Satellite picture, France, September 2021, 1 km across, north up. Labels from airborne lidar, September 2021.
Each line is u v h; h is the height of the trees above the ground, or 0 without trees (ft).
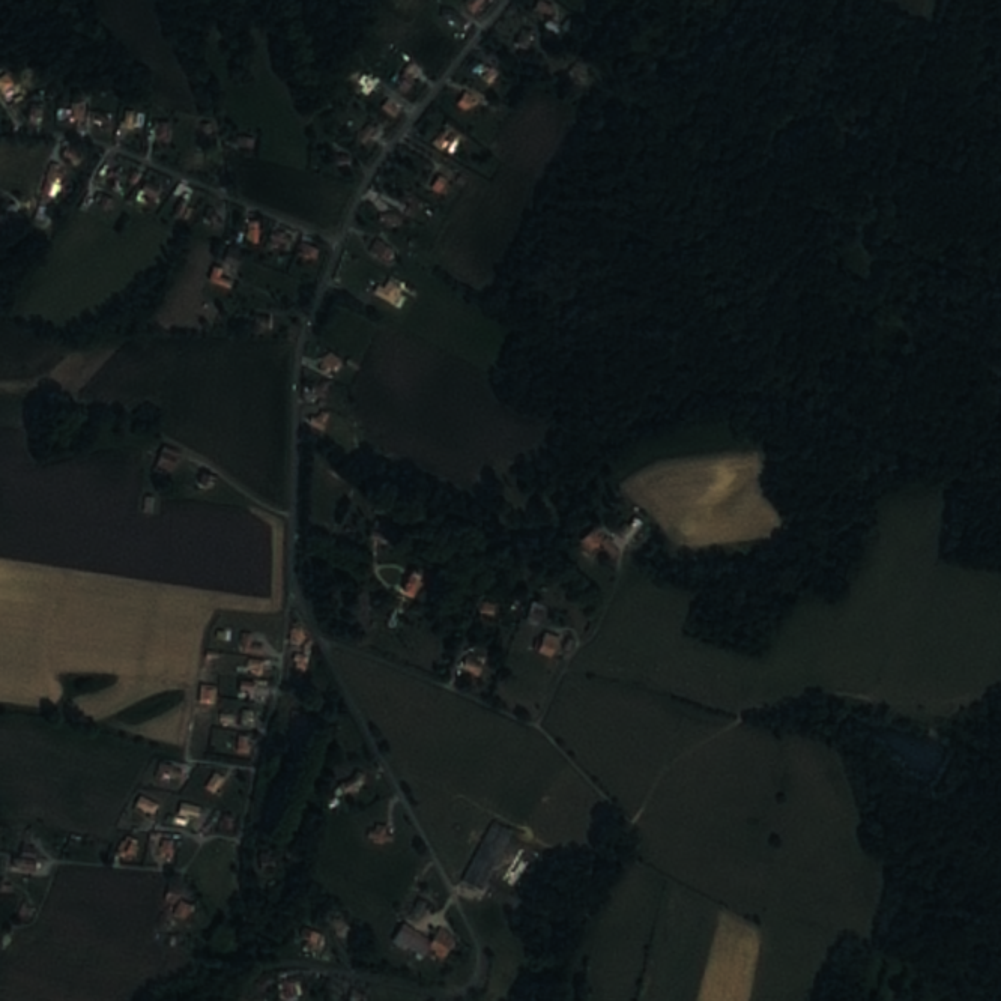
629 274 86
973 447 83
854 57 60
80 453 65
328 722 43
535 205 31
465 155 40
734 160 84
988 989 87
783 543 81
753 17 63
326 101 49
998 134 76
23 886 0
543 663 0
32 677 0
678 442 0
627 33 103
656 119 90
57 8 90
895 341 18
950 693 0
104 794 0
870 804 49
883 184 62
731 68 65
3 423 0
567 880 89
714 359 69
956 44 69
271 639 0
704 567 75
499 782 0
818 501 78
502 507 65
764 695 0
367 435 0
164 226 19
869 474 47
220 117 27
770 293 52
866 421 78
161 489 74
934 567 0
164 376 0
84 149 51
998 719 61
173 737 0
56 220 61
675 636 0
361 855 0
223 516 0
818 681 0
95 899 0
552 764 0
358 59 0
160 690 0
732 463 0
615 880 45
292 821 79
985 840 72
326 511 0
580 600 72
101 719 0
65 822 0
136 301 65
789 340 72
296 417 0
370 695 0
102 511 0
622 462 48
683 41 42
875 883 0
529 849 0
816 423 56
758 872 0
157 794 0
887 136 61
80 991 0
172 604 0
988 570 52
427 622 31
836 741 68
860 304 48
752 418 78
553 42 64
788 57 47
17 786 0
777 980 0
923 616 0
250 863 29
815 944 0
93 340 74
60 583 0
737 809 0
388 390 0
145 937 0
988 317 87
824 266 82
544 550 66
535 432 0
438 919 0
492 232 0
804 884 0
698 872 0
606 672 0
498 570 109
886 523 0
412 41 0
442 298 0
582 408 83
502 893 0
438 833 0
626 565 0
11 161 0
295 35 99
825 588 78
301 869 49
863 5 61
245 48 63
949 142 72
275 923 70
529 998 74
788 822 0
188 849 0
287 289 0
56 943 0
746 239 86
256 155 19
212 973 69
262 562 0
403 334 0
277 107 0
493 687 25
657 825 0
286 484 0
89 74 69
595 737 0
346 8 79
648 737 0
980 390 80
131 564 0
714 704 0
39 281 0
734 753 0
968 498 62
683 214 60
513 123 0
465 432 0
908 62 62
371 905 0
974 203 70
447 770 0
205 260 0
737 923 0
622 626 0
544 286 82
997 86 71
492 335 0
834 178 72
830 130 66
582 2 0
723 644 29
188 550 0
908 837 91
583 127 53
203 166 0
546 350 65
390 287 0
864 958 45
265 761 68
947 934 97
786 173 72
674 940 0
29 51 73
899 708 0
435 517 97
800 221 90
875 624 0
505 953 0
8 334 0
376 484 120
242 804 0
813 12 82
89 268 0
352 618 34
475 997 47
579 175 57
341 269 0
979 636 0
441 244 0
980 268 33
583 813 0
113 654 0
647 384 64
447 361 0
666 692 0
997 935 115
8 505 0
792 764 0
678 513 0
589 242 86
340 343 0
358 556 55
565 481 63
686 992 0
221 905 0
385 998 0
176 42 38
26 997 0
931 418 75
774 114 81
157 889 0
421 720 0
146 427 51
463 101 0
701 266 87
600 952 0
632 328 62
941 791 51
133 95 55
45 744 0
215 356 0
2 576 0
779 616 66
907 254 58
